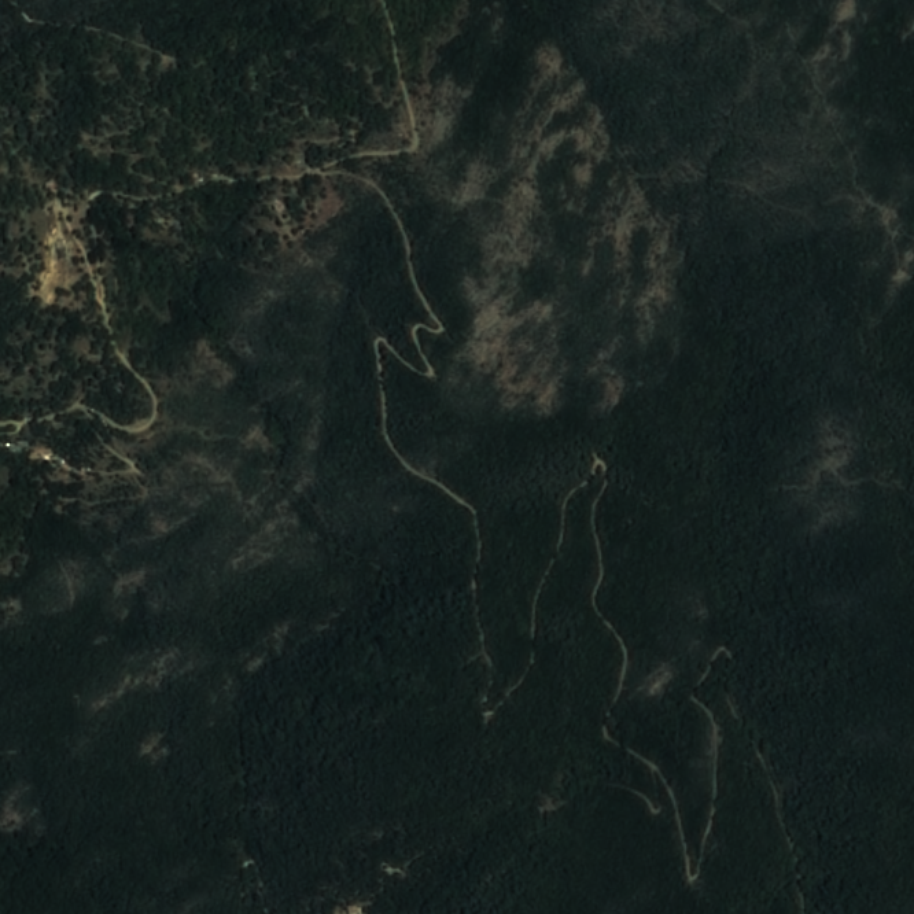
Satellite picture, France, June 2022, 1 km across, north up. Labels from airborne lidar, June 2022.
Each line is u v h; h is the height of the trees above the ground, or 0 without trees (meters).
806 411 8
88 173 15
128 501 8
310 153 12
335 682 7
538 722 9
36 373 16
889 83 6
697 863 6
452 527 8
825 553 8
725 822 8
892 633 6
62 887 9
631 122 9
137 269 10
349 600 5
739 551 12
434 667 8
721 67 8
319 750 9
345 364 6
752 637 9
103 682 8
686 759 7
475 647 10
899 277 0
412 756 10
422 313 7
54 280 0
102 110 9
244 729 15
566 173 6
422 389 5
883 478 7
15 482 15
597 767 6
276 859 10
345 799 9
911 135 6
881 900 9
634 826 6
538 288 6
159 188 6
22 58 10
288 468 7
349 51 6
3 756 11
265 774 9
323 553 6
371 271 11
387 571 8
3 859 8
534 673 11
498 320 0
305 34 8
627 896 6
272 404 11
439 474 7
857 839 12
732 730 10
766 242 8
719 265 7
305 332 6
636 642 9
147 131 15
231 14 8
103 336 10
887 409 14
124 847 6
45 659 12
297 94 7
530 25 15
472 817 11
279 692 11
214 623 10
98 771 6
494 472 14
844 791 7
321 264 0
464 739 9
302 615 12
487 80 7
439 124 0
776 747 9
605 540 9
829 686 8
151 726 8
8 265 7
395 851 11
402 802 10
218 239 9
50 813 11
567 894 8
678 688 8
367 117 14
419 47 6
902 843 12
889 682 8
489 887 9
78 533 11
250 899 12
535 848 16
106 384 12
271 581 8
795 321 8
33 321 12
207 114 7
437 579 10
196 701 8
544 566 7
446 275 6
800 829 11
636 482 9
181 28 11
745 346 12
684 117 7
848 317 6
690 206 7
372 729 11
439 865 11
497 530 8
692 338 8
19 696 7
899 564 7
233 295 7
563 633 8
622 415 12
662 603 8
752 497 12
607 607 10
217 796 10
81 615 11
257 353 6
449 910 7
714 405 12
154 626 7
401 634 7
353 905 9
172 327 10
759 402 13
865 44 8
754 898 11
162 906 7
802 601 7
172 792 11
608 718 11
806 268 9
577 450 10
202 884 6
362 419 8
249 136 7
